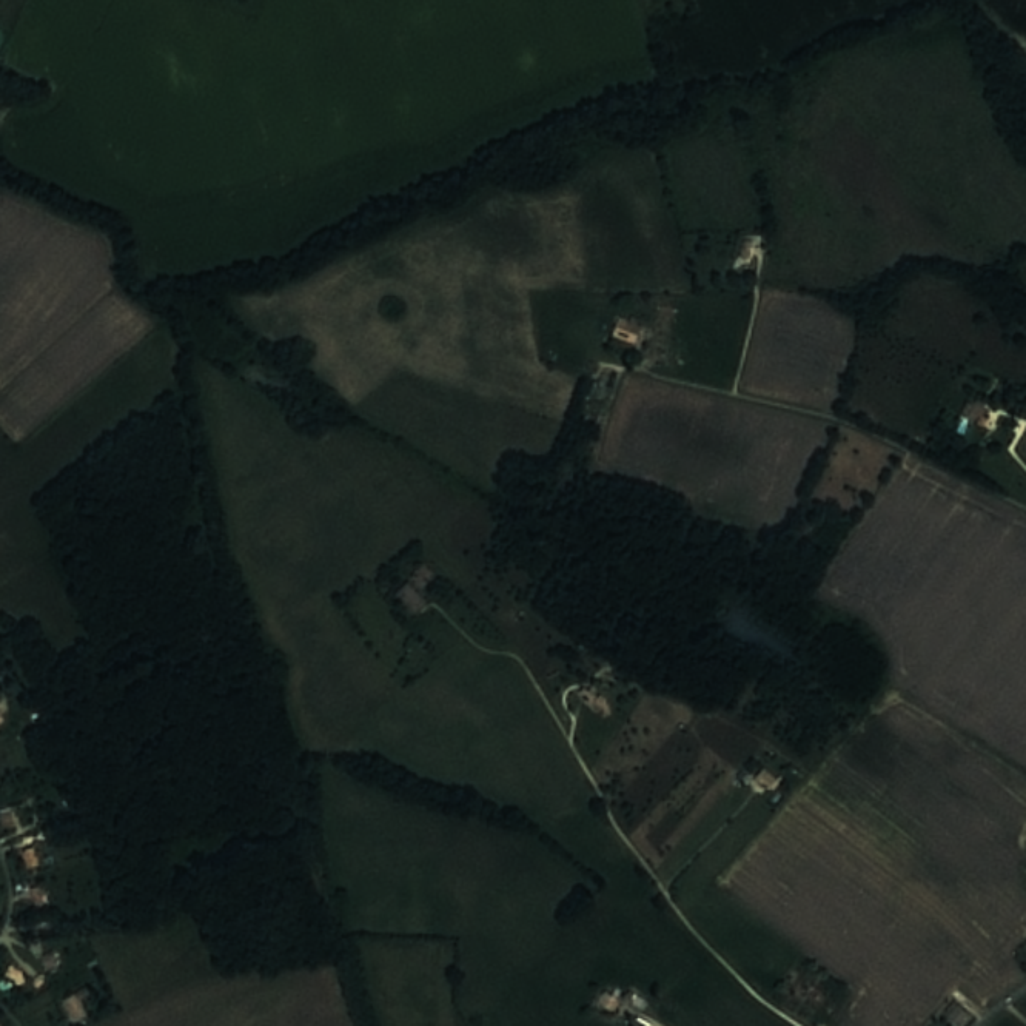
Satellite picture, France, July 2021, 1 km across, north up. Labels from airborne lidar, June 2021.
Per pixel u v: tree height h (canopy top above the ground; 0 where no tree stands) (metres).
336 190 0
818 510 10
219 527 16
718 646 19
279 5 0
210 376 0
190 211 0
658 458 0
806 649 15
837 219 0
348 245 16
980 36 20
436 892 0
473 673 0
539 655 0
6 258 0
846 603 0
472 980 0
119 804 19
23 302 0
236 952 20
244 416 0
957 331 0
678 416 0
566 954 0
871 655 9
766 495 0
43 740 24
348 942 10
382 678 0
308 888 19
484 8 0
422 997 0
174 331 11
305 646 0
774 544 23
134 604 31
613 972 0
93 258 0
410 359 0
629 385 0
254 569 0
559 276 0
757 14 0
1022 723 0
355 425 8
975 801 0
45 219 0
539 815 0
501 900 0
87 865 0
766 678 8
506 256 0
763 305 0
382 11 0
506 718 0
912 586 0
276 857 27
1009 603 0
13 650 10
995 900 0
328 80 0
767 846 0
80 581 24
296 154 0
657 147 8
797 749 7
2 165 23
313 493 0
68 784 9
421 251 0
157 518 25
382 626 0
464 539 0
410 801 15
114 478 24
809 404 0
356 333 0
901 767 0
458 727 0
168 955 0
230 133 0
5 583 0
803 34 0
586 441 16
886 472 9
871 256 0
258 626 8
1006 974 0
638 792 0
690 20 10
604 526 22
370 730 0
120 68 0
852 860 0
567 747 0
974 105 0
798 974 0
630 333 0
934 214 0
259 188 0
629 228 0
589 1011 8
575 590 26
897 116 0
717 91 12
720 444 0
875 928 0
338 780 0
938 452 10
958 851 0
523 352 0
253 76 0
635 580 23
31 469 0
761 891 0
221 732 30
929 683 0
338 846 0
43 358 0
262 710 26
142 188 0
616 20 0
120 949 0
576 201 0
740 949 0
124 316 0
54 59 0
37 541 0
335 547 0
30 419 0
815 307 0
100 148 0
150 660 26
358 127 0
